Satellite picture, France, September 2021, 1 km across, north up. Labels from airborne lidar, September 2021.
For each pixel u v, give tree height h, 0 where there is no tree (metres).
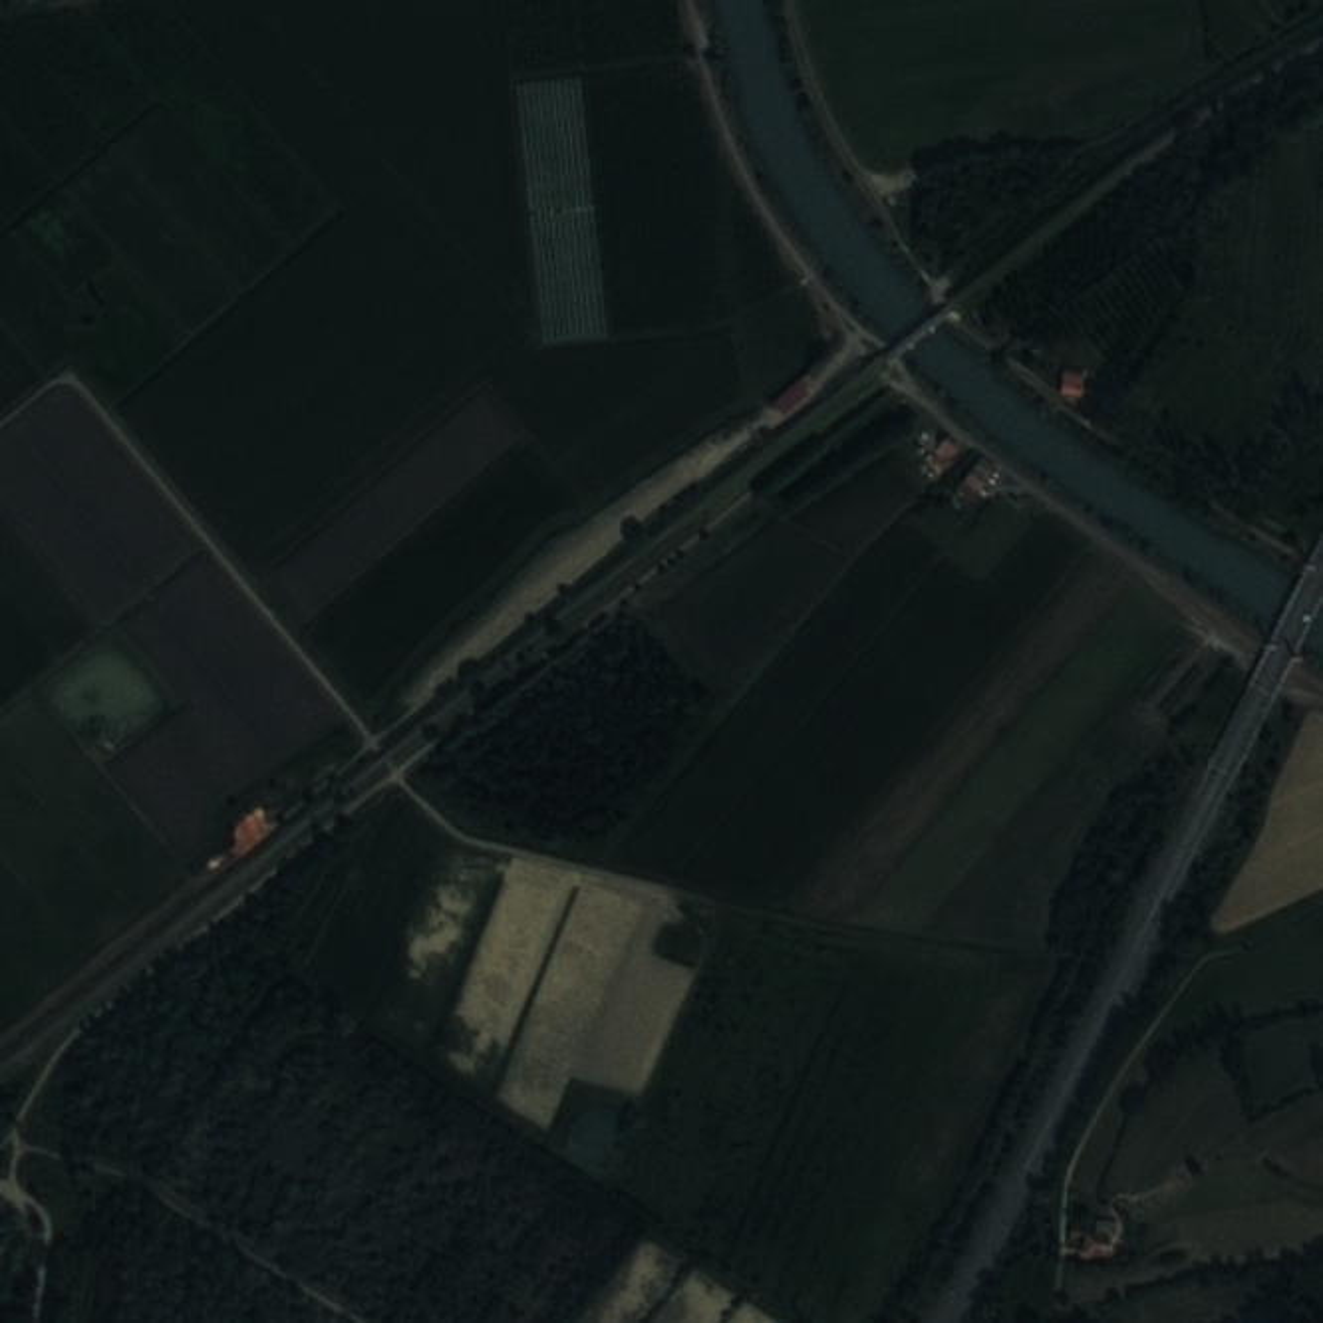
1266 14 0
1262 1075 0
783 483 13
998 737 0
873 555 0
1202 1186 0
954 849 0
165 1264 13
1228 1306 0
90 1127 10
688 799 0
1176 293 13
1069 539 0
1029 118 0
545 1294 7
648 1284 0
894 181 0
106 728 0
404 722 0
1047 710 0
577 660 7
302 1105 9
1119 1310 8
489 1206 8
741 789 0
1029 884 0
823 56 0
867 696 0
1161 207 9
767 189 8
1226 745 0
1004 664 0
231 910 0
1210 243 0
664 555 0
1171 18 0
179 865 0
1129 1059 0
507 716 6
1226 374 0
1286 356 0
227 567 0
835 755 0
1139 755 0
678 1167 0
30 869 0
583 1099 0
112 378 0
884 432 15
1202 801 0
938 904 0
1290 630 0
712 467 0
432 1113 7
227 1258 25
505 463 0
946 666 0
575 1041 0
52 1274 26
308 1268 6
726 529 0
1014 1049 0
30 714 0
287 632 0
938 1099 0
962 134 0
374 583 0
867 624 0
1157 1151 0
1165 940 13
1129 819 8
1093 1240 0
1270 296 0
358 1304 8
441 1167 9
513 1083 0
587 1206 8
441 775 17
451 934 0
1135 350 13
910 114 0
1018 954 0
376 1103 10
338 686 0
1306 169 0
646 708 21
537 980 0
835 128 0
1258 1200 0
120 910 0
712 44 6
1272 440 0
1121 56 0
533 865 0
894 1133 0
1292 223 0
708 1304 0
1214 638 0
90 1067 9
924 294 8
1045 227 0
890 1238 0
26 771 0
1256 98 15
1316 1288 0
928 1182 0
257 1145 8
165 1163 16
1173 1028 0
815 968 0
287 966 8
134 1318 13
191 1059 11
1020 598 0
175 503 0
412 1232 7
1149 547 9
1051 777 0
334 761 0
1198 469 0
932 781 0
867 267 0
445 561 0
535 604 0
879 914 0
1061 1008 7
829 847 0
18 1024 0
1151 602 0
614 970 0
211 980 24
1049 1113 0
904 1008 0
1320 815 0
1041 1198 15
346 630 0
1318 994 0
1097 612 0
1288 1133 0
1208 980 0
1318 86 17
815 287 0
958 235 15
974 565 0
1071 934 9
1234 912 0
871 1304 0
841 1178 0
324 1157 8
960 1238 9
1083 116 0
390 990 0
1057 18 0
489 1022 0
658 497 0
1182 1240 0
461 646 0
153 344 0
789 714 0
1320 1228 0
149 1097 10
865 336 0
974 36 0
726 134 0
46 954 0
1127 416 0
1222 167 18
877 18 0
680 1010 0
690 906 0
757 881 0
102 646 0
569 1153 0
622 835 0
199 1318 24
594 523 0
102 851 0
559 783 15
